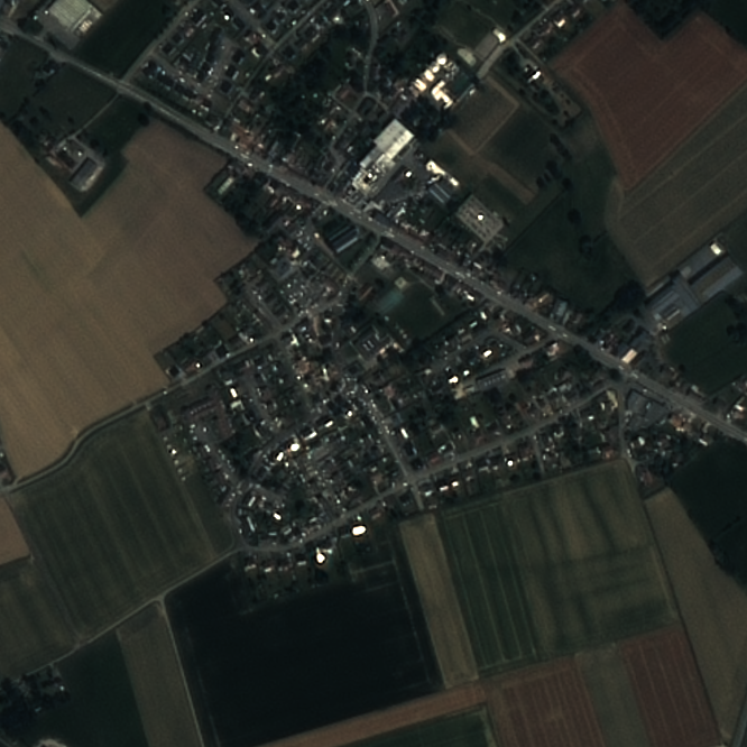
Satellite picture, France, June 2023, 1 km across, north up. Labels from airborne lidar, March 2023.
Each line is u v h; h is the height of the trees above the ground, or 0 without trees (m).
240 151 0
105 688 0
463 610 0
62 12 0
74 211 0
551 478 0
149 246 0
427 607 0
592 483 0
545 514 0
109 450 0
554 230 0
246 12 0
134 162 0
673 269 0
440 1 12
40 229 0
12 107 0
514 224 0
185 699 0
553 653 0
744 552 0
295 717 0
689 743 0
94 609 0
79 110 0
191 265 0
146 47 0
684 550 0
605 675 0
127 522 0
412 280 0
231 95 0
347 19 6
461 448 0
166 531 0
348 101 0
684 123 0
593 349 0
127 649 0
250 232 12
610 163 0
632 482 0
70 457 0
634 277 0
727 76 0
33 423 0
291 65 0
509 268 0
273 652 0
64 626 0
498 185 0
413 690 0
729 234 0
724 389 0
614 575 0
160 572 0
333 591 0
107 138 0
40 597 0
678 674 0
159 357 0
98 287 0
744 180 0
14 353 0
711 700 0
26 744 7
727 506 0
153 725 0
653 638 0
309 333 0
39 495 0
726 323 0
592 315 9
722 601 0
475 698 0
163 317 0
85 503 0
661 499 0
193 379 0
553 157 0
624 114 0
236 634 0
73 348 0
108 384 0
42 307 0
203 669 0
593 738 0
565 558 0
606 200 0
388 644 0
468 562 0
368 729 0
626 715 0
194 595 0
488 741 0
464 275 0
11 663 0
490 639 0
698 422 0
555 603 0
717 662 0
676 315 0
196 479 0
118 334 0
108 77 0
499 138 0
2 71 0
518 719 0
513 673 0
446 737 0
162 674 0
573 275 0
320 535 0
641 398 0
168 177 0
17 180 0
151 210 0
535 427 0
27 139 18
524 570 0
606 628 0
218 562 0
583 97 0
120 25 0
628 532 0
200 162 0
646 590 0
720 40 0
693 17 0
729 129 0
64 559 0
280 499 0
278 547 0
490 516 0
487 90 0
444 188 0
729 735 0
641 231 0
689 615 0
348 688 0
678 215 0
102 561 0
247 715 0
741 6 0
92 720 0
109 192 0
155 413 0
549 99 10
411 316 0
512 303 0
